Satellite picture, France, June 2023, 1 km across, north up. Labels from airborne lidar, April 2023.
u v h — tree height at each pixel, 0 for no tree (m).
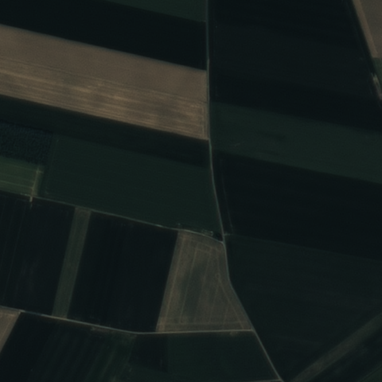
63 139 0
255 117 0
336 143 0
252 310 0
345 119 0
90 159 0
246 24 0
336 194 0
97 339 0
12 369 0
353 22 0
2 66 0
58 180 0
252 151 0
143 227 0
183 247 0
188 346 0
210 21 0
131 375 0
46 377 0
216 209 0
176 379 0
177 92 0
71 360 0
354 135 0
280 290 0
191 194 0
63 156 0
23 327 0
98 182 0
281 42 0
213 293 0
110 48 0
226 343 0
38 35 0
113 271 0
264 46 0
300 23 0
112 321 0
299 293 0
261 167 0
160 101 0
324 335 0
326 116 0
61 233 0
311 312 0
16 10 0
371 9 0
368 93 0
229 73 0
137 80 0
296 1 0
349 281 0
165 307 0
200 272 0
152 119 0
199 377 0
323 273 0
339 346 0
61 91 0
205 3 0
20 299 0
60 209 0
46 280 0
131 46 0
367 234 0
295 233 0
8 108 0
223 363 0
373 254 0
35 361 0
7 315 0
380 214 0
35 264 0
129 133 0
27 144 14
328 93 0
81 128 0
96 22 0
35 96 0
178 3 0
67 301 0
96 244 0
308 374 0
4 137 18
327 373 0
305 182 0
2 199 0
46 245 0
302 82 0
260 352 0
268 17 0
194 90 0
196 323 0
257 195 0
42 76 0
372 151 0
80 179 0
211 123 0
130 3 0
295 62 0
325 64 0
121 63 0
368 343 0
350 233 0
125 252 0
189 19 0
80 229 0
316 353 0
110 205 0
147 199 0
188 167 0
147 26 0
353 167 0
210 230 0
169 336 0
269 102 0
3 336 0
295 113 0
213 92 0
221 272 0
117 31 0
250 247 0
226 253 0
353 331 0
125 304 0
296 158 0
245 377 0
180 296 0
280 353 0
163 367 0
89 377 0
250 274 0
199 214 0
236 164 0
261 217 0
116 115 0
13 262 0
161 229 0
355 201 0
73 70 0
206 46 0
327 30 0
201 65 0
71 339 0
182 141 0
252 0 0
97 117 0
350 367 0
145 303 0
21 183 0
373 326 0
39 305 0
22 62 0
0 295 0
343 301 0
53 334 0
